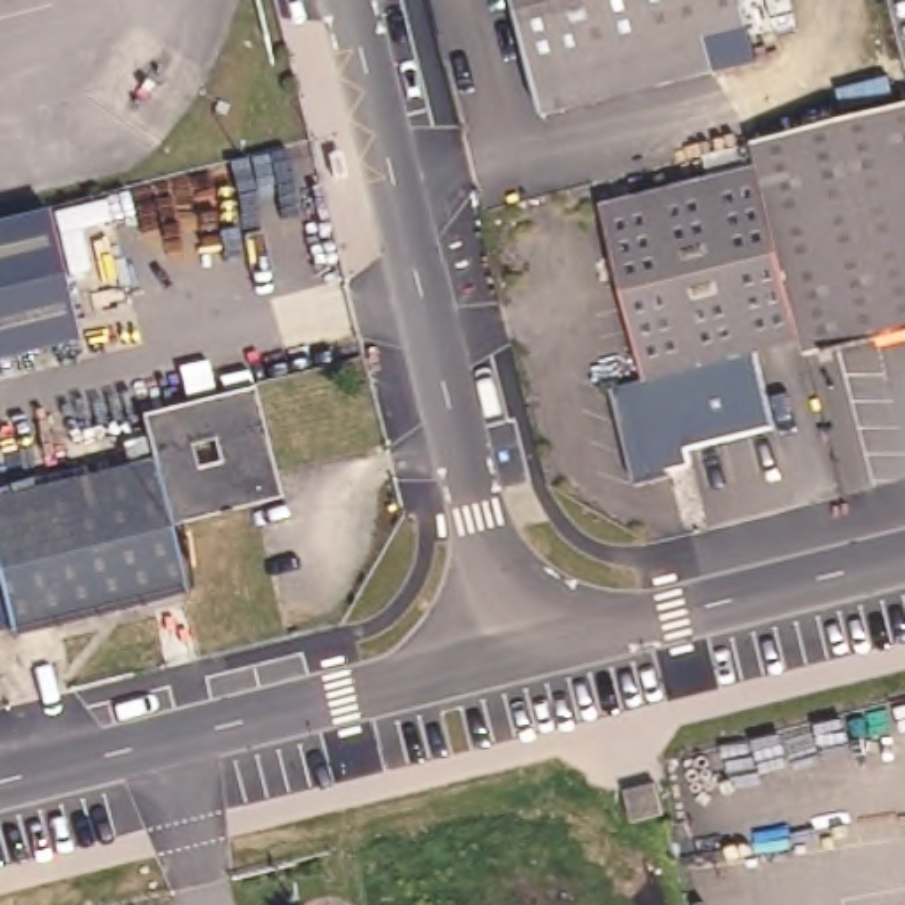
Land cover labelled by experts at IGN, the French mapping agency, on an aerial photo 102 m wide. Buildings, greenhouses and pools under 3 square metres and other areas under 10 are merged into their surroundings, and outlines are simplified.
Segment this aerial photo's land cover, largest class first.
<instances>
[{"label":"impervious surface","instance_id":"1","mask_svg":"<svg viewBox=\"0 0 905 905\"><path fill-rule=\"evenodd\" d=\"M520 0H293L290 18L283 21V39L290 49V71L300 88L308 134L265 156L226 163L219 159L209 170H180L156 180H134L131 166L170 134L177 117L202 92L205 74L212 71L230 35L237 14L233 0H0V216L39 209V191L110 177L120 194L57 212L71 297L81 308L78 336H88L103 346L81 350L74 361H57L49 350H21L14 357H0V488L25 477L49 484L64 477H85L95 470L124 467L127 456L145 453V410L180 403L187 392L209 389L212 371L226 375V385L247 382L255 371L265 378L315 371L350 396L371 385L382 421V449L368 453L364 460L308 470H279L272 463L276 491L244 502L255 513V527L262 530L269 551L265 569L272 573V590L283 615L279 640L194 661L191 619L177 597L131 605L32 633L0 629V894L46 880L110 870L134 859H159L173 905H233L230 863L237 852V834L548 760L580 771L594 788H615L629 817H658L672 827V848L682 866L689 905H905V689L856 707L810 711L806 718L785 725H749L746 732L689 746L679 760L665 757L661 749L682 725L693 721L905 672V329H884L873 339L841 343L827 350L813 346L810 357L788 361L778 371L771 350H760L757 357L764 361L767 385H757V403L760 424H774L771 435L703 449V467L693 470L675 463L658 477L640 481L619 470L608 417L601 410V392H619L633 385L640 375L633 371L636 357L622 315V297L619 290H608V272L601 262L608 255V233L601 202L703 177V170L718 177L732 170H749V138H739L742 120L732 113V103L718 81L679 78L668 85L619 92L537 117L523 53L513 28V7ZM506 205L523 209L534 230L520 233L506 247L484 251L477 219L481 212ZM559 484H569L580 498L601 506L608 520L636 527V541L608 544L583 534L555 502ZM544 520L580 555L636 569V587L605 590L541 559L527 544V537L530 523ZM407 530L414 534L410 573L403 587L375 615H364L361 597L382 569V562L389 559L392 544ZM410 605L421 608V619L410 633H403L389 650L354 658L364 640L385 633ZM145 612L156 619L159 647L170 661L166 668L145 675H110L88 686L67 682L106 647V636L120 619H138ZM870 21L859 46V67H880V78L887 88L905 78V0H863Z\"/></svg>","mask_w":905,"mask_h":905},{"label":"building","instance_id":"2","mask_svg":"<svg viewBox=\"0 0 905 905\"><path fill-rule=\"evenodd\" d=\"M742 0H520L513 7V28L523 53L537 117L619 92L668 85L679 78L718 81L725 67L753 64L764 42L760 35H749V25L742 21ZM887 88L880 78L845 85L838 99L880 95ZM749 170H732L718 177L703 170V177L601 202L608 233V255L601 262L608 272V290H619L622 297V315L636 357L633 371L640 375L633 385L619 392H601V410L608 417L619 470L640 481L658 477L675 463L693 470L703 467V449L771 435L774 424H760L757 403V385H767L764 361L757 357L760 350H771L778 371L788 361L810 357L813 346L827 350L841 343L873 339L884 329H905V99L817 117L795 127L749 138ZM81 308L71 297L57 212L39 209L0 216V357H14L21 350H49L57 361H74L81 350L103 346L88 336H78ZM265 378L255 371L247 382L226 385V375L212 371L209 389L187 392L180 403L145 410V453L127 456L124 467L95 470L85 477H64L49 484L25 477L0 488V629L32 633L131 605L177 597L187 590L191 562L184 527L209 513H230L244 502L276 491L272 463L276 453L262 421Z\"/></svg>","mask_w":905,"mask_h":905},{"label":"herbaceous vegetation","instance_id":"3","mask_svg":"<svg viewBox=\"0 0 905 905\"><path fill-rule=\"evenodd\" d=\"M237 14L230 35L212 71L205 74L202 92L177 117L170 134L131 166L134 180H156L180 170H209L219 159L226 163L265 156L308 134L300 88L290 71V49L283 39V21L290 18L293 0H233ZM484 251L506 247L520 233L534 230L523 209L506 205L481 212L477 219ZM262 421L276 453L272 463L279 470H308L364 460L368 453L382 449V421L371 385L350 396L315 371L265 378ZM555 502L583 534L608 544L636 541V527L608 520L601 506L580 498L569 484H559ZM191 562L187 590L177 597L191 619L194 661L279 640L283 615L272 590V573L265 569L269 551L262 530L255 527V513L244 502L230 513H209L184 527ZM527 544L541 559L605 590L636 587V569L580 555L544 520L530 523L527 537ZM414 534L407 530L392 544L389 559L382 562V569L361 597L364 615H375L403 587L410 573ZM421 619V608L410 605L385 633L364 640L354 658L389 650L403 633H410ZM170 661L159 647L156 619L145 612L138 619H120L106 636V647L67 682L88 686L110 675H145L166 668ZM905 689V672L693 721L682 725L661 749L665 757L679 760L689 746L746 732L749 725H785L806 718L810 711L856 707ZM237 852L230 863L233 905H689L682 866L672 848V827L658 817H629L615 788H594L580 771L548 760L237 834ZM0 905H173L159 859H134L110 870L46 880L0 894Z\"/></svg>","mask_w":905,"mask_h":905},{"label":"pervious surface","instance_id":"4","mask_svg":"<svg viewBox=\"0 0 905 905\"><path fill-rule=\"evenodd\" d=\"M742 21L749 25V35H760L764 42L753 64L725 67L718 81L732 103V113L742 120L739 138H749L795 127L817 117L905 99V78L887 88L880 95L838 99L845 85L880 78V67H859V46L870 21L863 0H742Z\"/></svg>","mask_w":905,"mask_h":905},{"label":"brushwood","instance_id":"5","mask_svg":"<svg viewBox=\"0 0 905 905\"><path fill-rule=\"evenodd\" d=\"M120 194L110 177L39 191V209L57 212Z\"/></svg>","mask_w":905,"mask_h":905}]
</instances>
